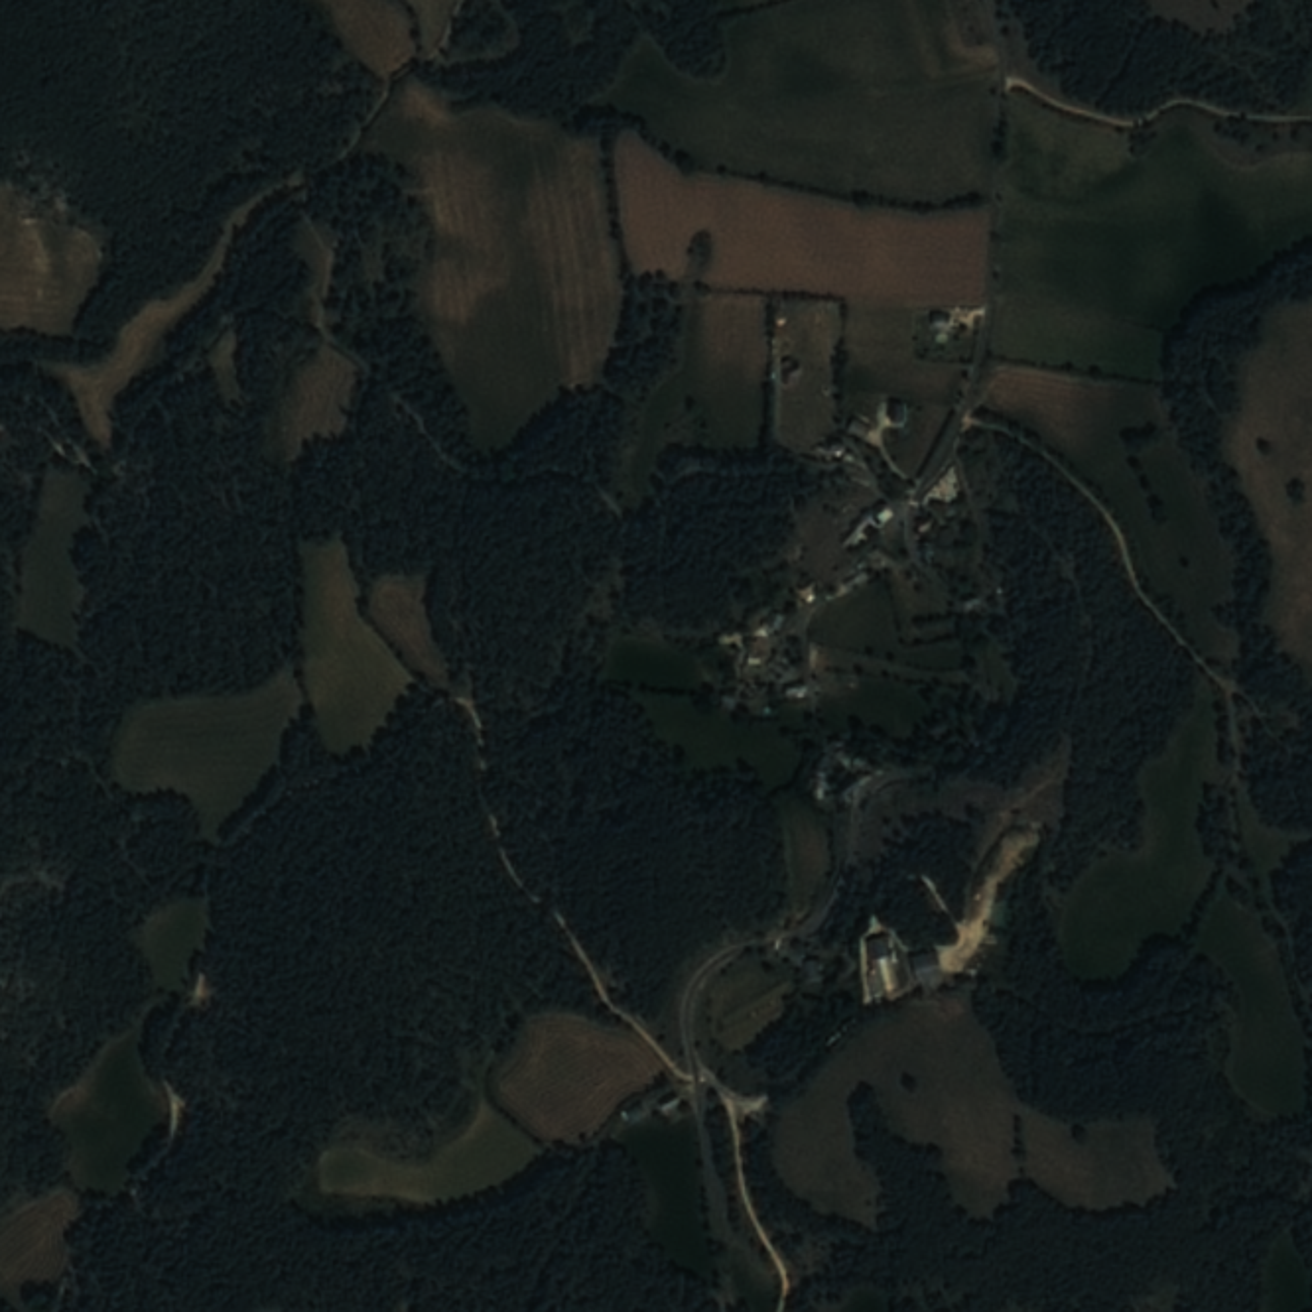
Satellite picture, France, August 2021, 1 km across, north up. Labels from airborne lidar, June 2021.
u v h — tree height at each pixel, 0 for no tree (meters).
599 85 16
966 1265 13
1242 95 10
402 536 15
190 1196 13
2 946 7
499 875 15
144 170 17
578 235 0
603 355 0
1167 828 0
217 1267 15
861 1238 14
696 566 14
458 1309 11
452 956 13
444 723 16
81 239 0
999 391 0
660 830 14
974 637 11
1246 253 0
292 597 16
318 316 0
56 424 13
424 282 0
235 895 14
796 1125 0
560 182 0
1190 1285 15
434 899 12
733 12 7
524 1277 15
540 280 0
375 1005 14
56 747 14
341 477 15
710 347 0
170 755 0
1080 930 0
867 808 6
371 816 14
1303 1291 0
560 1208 12
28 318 0
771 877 11
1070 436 0
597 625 17
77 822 16
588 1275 9
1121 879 0
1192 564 9
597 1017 12
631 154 0
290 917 13
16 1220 0
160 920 0
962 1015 0
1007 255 0
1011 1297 17
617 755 22
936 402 0
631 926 16
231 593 15
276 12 15
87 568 15
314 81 16
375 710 0
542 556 11
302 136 16
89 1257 10
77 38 14
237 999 12
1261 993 0
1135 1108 13
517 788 15
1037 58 9
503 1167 0
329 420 0
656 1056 0
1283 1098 0
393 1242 14
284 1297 13
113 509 7
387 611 0
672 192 0
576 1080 0
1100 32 13
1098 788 14
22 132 12
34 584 0
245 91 12
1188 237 0
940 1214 12
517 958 16
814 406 0
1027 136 0
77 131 17
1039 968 19
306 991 13
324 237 0
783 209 0
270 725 0
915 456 0
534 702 11
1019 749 12
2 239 0
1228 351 13
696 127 0
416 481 14
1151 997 17
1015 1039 10
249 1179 14
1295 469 0
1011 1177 0
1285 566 0
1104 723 16
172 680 18
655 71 0
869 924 10
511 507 15
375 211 14
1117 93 13
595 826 16
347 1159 0
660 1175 0
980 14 0
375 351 10
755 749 0
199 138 16
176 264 16
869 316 0
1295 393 0
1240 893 14
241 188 14
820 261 0
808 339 0
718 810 19
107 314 15
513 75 17
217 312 10
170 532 17
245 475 13
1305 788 14
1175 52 14
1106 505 8
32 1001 12
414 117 0
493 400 0
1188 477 0
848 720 0
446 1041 14
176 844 18
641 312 9
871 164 0
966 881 12
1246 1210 16
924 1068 0
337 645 0
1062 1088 15
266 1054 12
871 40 0
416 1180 0
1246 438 0
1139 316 0
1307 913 12
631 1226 16
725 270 0
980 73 0
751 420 0
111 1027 13
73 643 0
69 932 10
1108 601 12
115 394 0
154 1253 16
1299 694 14
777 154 0
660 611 14
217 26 13
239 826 14
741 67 0
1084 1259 16
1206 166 0
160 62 12
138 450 8
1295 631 0
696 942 13
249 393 16
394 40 0
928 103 0
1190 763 0
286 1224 18
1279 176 0
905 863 9
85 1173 0
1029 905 12
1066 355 0
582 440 18
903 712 0
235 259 8
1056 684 11
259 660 17
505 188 0
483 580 17
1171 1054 11
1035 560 7
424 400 15
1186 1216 14
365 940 13
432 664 0
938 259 0
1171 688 17
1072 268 0
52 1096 12
